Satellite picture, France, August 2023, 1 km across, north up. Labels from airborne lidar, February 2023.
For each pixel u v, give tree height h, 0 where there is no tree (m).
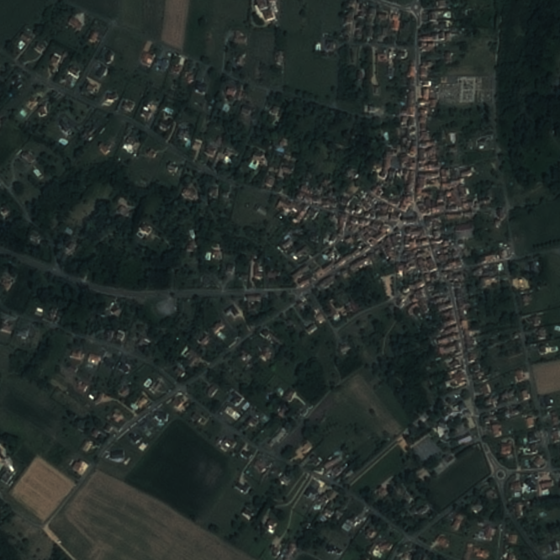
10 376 0
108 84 0
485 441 8
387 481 0
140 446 0
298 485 0
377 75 0
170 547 0
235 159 15
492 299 14
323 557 0
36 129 10
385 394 0
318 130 8
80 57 12
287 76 0
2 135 0
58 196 16
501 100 6
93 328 6
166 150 0
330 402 0
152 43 0
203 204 16
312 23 0
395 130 0
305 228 9
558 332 0
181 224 9
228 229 7
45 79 0
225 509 0
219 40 0
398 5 0
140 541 0
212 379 9
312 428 9
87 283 0
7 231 22
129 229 16
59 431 0
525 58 10
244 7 0
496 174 6
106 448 0
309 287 0
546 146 0
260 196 0
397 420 0
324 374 6
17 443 13
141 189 8
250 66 0
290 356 9
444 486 0
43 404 0
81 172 10
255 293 0
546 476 0
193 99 0
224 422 0
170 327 6
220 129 0
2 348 0
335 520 7
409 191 0
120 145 0
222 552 0
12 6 0
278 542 0
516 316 13
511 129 0
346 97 8
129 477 0
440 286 9
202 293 0
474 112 11
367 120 9
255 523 9
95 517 0
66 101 6
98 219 17
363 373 0
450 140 0
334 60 0
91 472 0
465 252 0
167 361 8
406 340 17
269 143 11
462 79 0
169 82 0
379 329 17
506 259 0
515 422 0
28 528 0
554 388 0
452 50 0
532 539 7
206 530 0
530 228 0
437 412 11
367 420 0
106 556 0
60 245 21
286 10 0
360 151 11
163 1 0
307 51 0
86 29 0
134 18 0
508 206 0
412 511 8
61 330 7
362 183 10
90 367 0
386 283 0
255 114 7
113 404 0
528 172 15
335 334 0
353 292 9
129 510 0
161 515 0
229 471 0
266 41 0
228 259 0
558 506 11
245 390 15
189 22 0
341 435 0
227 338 0
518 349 7
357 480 0
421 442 0
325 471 0
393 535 7
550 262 0
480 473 0
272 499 8
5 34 0
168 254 12
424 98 0
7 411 0
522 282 14
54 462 0
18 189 13
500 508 7
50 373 0
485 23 0
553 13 10
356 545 9
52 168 10
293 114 9
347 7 6
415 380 6
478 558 0
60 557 7
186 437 0
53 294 13
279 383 0
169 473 0
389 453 0
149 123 0
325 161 6
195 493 0
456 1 9
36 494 0
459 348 0
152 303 0
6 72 7
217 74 9
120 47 0
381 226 0
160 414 0
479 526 0
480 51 0
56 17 6
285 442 0
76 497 0
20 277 0
